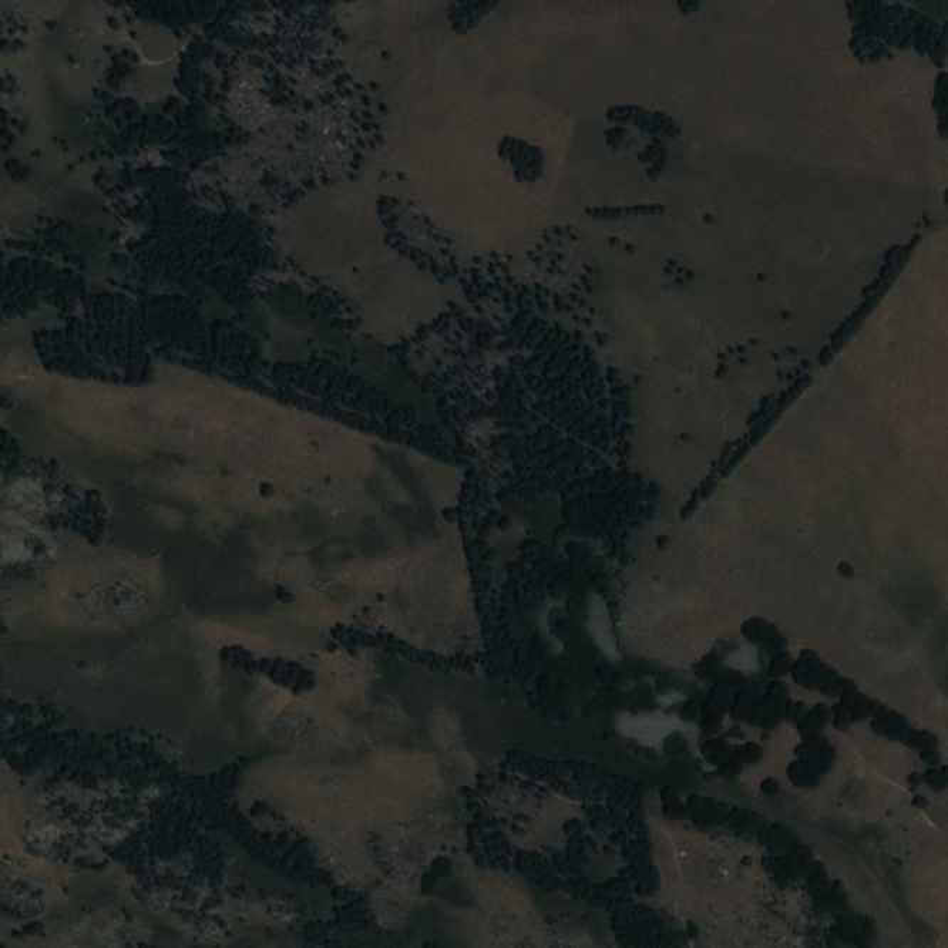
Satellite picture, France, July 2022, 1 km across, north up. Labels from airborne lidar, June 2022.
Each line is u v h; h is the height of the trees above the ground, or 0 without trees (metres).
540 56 0
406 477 0
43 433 0
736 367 0
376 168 0
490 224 0
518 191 0
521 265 0
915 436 0
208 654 0
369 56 0
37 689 0
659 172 15
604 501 19
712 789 0
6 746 13
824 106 0
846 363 0
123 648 0
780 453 0
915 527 0
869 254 0
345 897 18
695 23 0
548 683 13
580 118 0
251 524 0
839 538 0
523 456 24
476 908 0
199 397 0
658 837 0
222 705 0
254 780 0
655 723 0
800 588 0
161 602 0
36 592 0
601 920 0
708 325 0
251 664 19
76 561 0
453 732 0
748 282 0
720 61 0
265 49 17
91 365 20
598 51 0
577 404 22
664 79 0
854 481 0
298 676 20
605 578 7
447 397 16
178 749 0
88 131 0
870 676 0
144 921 0
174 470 0
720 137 0
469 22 10
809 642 0
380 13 0
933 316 0
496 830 21
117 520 0
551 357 11
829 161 0
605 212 14
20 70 0
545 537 0
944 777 13
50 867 0
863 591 0
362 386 16
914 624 0
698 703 9
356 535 0
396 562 0
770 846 8
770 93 0
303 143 23
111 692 0
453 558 0
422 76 0
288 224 0
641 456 0
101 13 0
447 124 0
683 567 0
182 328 20
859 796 0
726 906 0
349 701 0
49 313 0
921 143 0
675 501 0
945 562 0
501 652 18
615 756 0
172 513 0
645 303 0
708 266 0
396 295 0
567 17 0
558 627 14
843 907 15
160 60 0
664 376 0
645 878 21
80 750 9
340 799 0
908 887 0
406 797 0
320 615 0
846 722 12
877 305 9
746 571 0
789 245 0
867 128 0
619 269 0
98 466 0
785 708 15
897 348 0
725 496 0
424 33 0
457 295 0
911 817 0
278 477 0
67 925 0
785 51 0
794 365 0
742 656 0
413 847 0
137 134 23
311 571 0
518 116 0
